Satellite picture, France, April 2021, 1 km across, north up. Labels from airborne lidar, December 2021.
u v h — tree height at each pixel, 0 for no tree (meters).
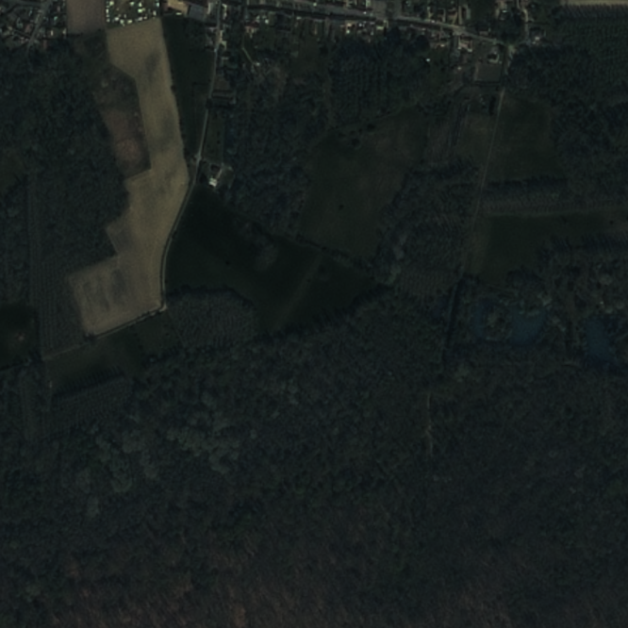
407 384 7
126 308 0
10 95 21
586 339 13
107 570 22
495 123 0
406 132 0
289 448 6
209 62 0
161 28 0
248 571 27
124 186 17
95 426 27
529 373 27
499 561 20
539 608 24
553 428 11
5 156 27
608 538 20
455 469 28
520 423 14
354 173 0
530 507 20
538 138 0
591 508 24
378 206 0
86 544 21
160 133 0
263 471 27
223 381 21
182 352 13
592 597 22
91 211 27
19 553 20
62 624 32
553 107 13
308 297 0
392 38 24
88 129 36
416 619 25
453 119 0
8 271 29
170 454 28
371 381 24
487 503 22
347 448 30
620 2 0
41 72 27
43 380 30
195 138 0
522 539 25
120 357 0
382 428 28
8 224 25
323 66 0
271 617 20
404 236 33
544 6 12
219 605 27
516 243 0
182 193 0
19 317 0
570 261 9
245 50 0
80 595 31
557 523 14
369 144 0
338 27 0
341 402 22
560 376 17
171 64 0
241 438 21
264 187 13
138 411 31
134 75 0
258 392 14
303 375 29
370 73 41
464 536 22
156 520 24
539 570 28
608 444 31
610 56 21
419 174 8
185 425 34
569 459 26
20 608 16
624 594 19
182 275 0
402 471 10
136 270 0
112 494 17
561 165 0
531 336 0
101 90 0
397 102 23
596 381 36
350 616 26
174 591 20
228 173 0
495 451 21
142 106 0
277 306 0
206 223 0
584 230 0
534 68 7
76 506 21
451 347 22
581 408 8
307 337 31
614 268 12
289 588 23
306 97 6
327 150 0
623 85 8
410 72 25
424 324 26
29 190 31
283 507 32
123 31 0
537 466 20
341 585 25
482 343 18
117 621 25
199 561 25
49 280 30
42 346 28
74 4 0
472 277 11
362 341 22
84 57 0
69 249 19
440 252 14
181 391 23
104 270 0
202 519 27
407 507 30
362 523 26
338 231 0
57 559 19
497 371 32
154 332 0
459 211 13
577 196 6
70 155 10
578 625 18
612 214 0
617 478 27
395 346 17
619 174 29
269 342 21
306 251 0
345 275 0
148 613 30
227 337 17
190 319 23
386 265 8
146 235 0
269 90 19
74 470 23
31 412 30
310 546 27
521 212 15
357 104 38
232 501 28
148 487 20
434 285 26
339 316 23
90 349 22
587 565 25
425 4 0
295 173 26
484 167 0
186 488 25
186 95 0
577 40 18
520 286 18
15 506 21
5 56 18
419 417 13
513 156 0
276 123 8
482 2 0
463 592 23
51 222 8
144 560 34
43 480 22
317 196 0
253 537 31
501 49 12
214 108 17
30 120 24
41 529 20
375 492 29
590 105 12
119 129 0
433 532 26
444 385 24
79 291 0
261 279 0
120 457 33
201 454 19
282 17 9
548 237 0
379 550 31
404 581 21
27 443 29
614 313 13
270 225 20
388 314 17
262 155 16
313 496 25
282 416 12
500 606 21
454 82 0
